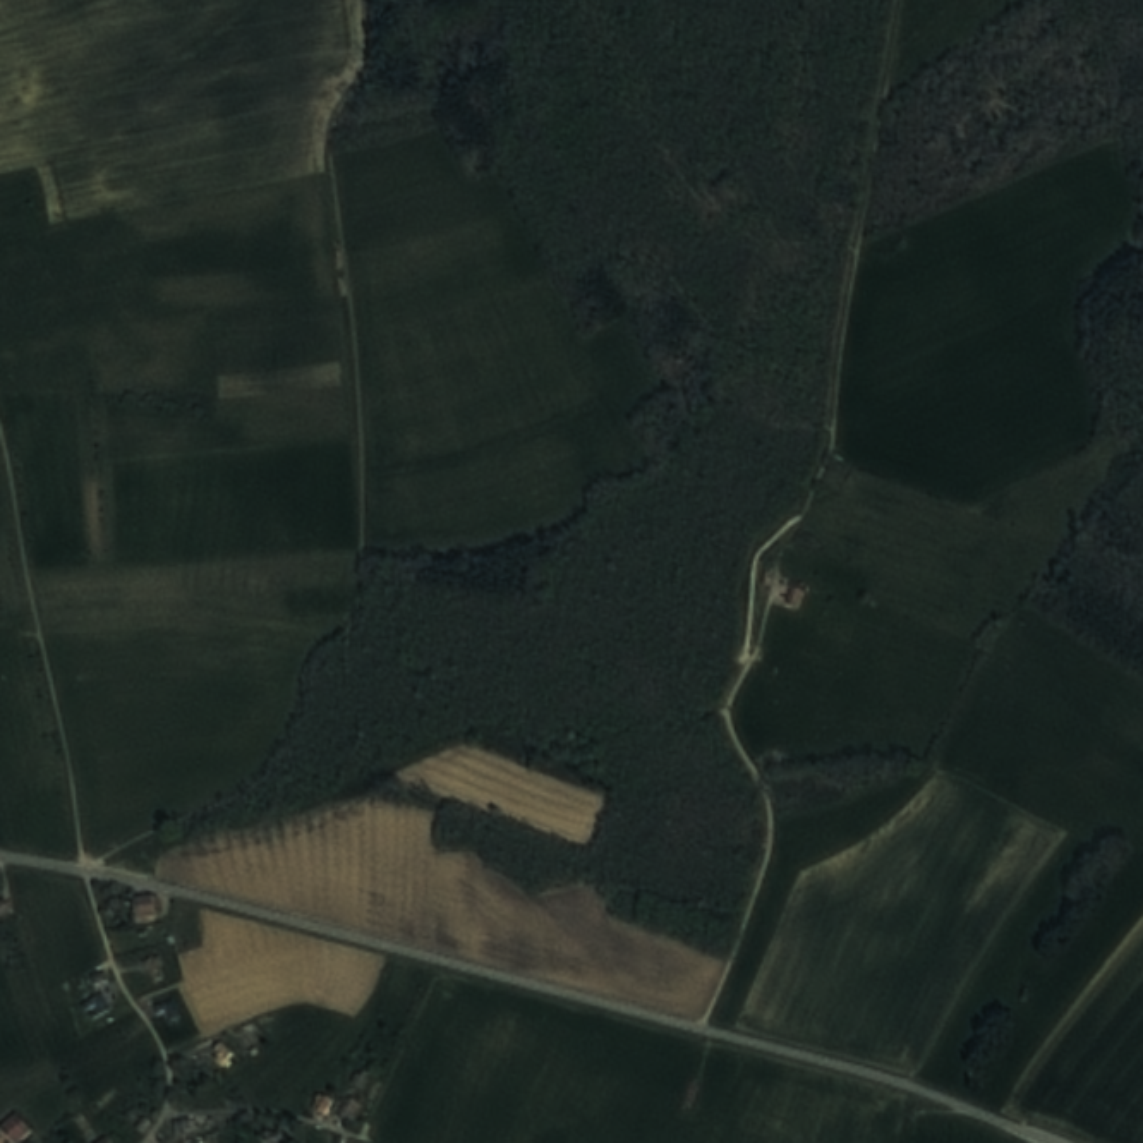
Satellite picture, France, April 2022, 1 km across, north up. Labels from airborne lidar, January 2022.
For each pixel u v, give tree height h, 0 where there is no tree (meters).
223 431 0
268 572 0
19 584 0
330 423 0
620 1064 0
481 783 0
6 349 0
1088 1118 0
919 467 0
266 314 0
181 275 0
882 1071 0
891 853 0
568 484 0
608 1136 0
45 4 0
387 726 17
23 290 0
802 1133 0
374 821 0
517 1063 0
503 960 0
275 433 0
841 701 0
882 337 0
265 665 0
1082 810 0
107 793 0
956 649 0
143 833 0
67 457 0
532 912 0
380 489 0
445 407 0
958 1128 0
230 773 0
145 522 0
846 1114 0
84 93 0
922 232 0
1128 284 26
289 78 0
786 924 0
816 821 0
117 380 0
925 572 0
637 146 14
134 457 0
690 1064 0
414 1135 0
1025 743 0
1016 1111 0
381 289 0
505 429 0
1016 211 0
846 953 0
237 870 0
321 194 0
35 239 0
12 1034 0
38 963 0
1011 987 0
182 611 0
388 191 0
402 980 0
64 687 0
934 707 0
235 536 0
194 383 0
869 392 0
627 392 0
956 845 0
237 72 0
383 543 0
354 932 0
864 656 0
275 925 0
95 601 0
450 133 15
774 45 14
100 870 0
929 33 0
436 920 0
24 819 0
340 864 0
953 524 0
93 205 0
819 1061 0
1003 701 0
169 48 0
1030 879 0
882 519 0
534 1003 0
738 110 16
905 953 0
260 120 0
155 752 0
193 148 0
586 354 0
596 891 14
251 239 0
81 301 0
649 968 0
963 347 0
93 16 0
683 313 16
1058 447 0
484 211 0
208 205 0
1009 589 0
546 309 0
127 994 0
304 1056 0
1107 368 16
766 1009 0
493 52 23
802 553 0
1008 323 0
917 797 0
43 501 0
